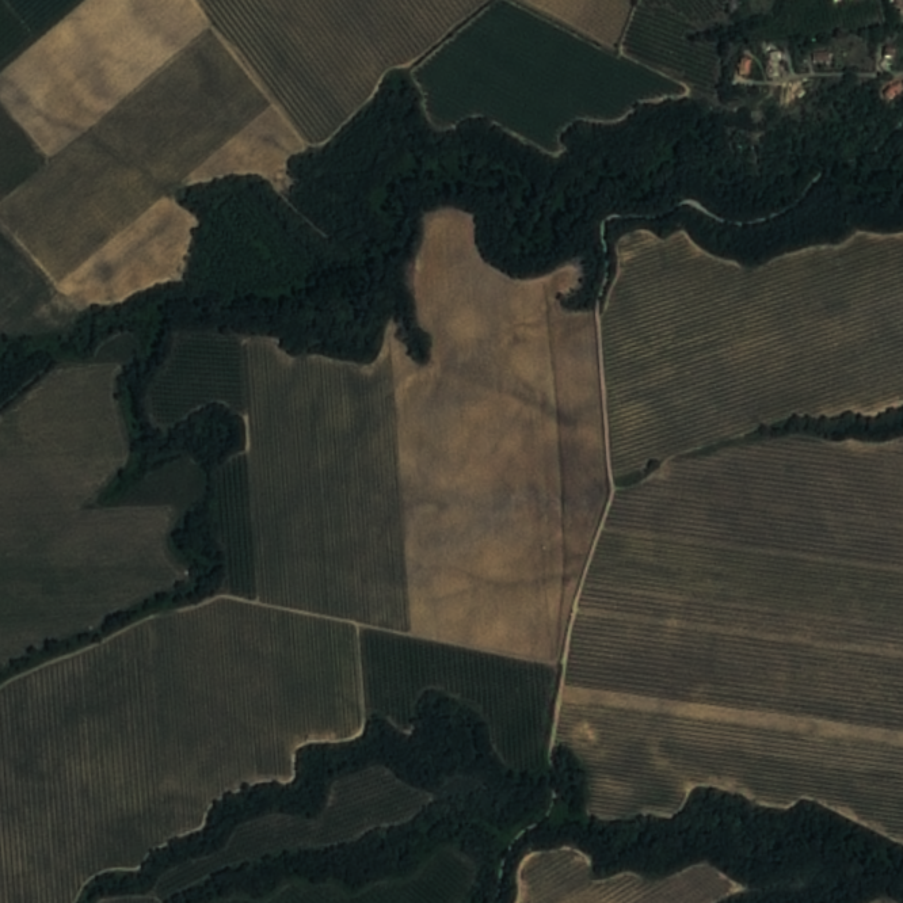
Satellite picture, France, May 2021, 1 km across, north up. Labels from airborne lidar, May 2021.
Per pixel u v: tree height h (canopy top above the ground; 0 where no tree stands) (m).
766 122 9
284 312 19
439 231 0
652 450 0
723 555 0
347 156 6
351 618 0
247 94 0
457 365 0
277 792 11
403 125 19
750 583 0
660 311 0
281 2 0
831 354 0
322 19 0
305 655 0
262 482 0
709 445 0
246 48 0
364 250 7
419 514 0
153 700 0
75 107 0
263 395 0
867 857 23
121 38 0
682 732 0
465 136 15
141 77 0
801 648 0
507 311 0
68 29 0
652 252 0
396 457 0
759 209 19
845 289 0
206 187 10
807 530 0
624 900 0
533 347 0
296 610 0
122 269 0
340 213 6
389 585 0
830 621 0
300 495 0
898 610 0
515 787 11
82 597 0
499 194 20
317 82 0
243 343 0
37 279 0
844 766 0
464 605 0
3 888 0
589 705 0
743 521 0
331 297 23
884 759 0
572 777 22
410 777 13
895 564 0
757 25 11
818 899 17
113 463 0
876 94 10
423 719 16
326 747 10
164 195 0
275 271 7
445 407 0
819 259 0
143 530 0
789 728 0
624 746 0
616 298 0
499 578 0
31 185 0
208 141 0
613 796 0
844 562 0
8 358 11
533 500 0
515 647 0
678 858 13
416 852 6
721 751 0
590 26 0
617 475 0
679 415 0
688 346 0
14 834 0
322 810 10
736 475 0
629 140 8
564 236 22
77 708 0
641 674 0
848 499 0
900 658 0
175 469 0
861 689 0
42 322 0
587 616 0
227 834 11
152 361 17
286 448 0
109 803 0
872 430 16
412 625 0
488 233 15
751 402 0
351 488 0
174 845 14
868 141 9
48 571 0
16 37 0
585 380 0
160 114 0
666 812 0
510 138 11
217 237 8
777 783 0
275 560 0
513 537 0
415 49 0
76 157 0
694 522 0
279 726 0
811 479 0
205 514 11
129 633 0
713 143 18
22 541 0
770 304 0
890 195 14
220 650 0
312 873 17
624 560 0
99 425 0
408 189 20
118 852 0
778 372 0
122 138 0
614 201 18
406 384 0
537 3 0
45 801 0
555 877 0
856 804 0
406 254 14
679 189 22
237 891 9
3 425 0
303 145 0
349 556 0
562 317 0
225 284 7
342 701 0
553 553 0
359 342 15
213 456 14
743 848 16
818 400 0
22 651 0
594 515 0
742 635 0
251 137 0
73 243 0
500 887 9
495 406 0
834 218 6
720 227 10
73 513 0
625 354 0
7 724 0
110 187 0
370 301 15
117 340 0
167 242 0
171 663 0
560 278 0
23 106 0
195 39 0
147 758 0
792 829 18
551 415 0
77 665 0
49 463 0
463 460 0
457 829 12
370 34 0
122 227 0
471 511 0
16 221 0
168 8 0
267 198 11
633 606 0
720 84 10
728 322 0
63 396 0
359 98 0
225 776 0
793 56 6
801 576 0
